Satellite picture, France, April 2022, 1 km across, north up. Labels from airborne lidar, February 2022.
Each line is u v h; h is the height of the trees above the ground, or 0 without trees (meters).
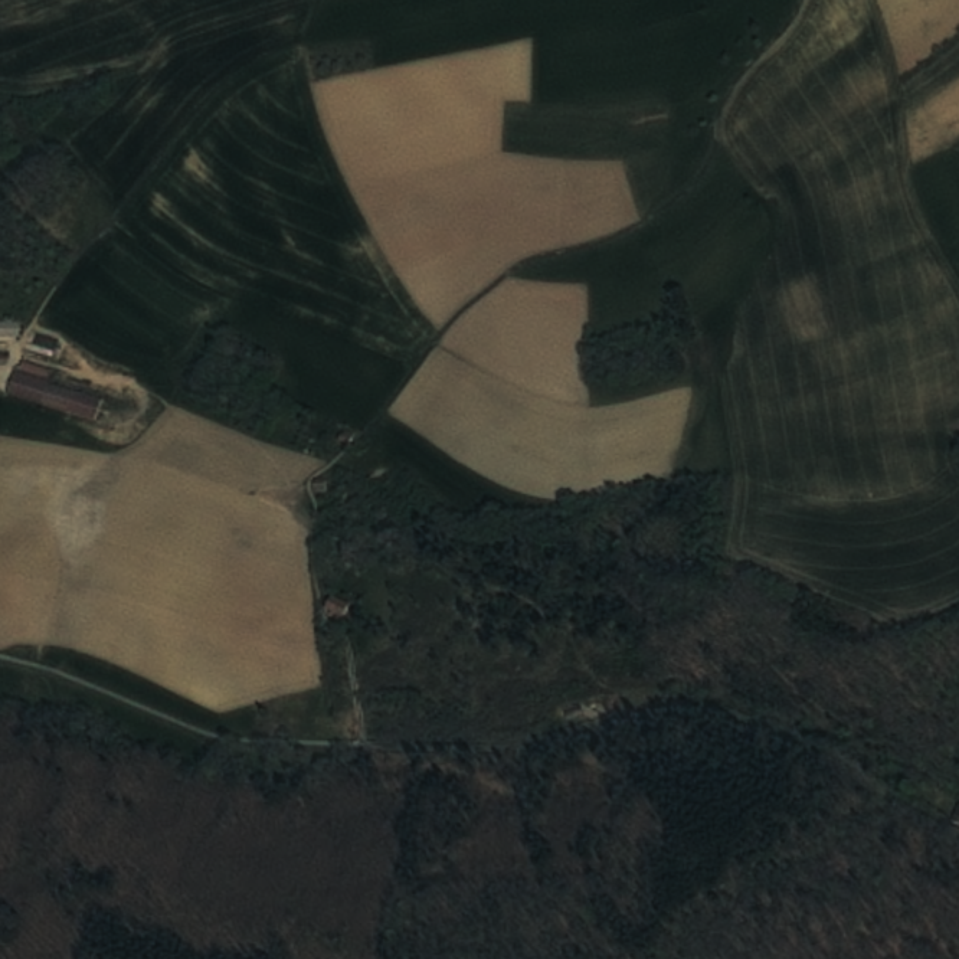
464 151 0
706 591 32
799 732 21
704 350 0
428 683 0
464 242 0
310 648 0
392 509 7
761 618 32
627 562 29
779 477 0
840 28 0
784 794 30
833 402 0
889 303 0
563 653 0
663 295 0
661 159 0
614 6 0
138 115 0
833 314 0
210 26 0
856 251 0
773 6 0
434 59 0
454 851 24
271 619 0
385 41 0
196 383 27
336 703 0
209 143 0
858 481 0
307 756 24
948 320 0
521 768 15
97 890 16
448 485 0
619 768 25
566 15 0
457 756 26
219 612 0
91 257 0
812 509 0
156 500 0
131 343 0
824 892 24
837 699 32
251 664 0
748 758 24
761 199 0
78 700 0
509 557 31
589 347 11
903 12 0
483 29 0
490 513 17
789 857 20
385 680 0
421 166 0
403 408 0
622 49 0
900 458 0
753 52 0
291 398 16
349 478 12
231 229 0
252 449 0
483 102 0
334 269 0
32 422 0
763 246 0
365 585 0
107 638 0
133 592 0
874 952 28
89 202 0
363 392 0
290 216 0
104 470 0
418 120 0
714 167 0
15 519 0
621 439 0
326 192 0
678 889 30
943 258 0
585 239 0
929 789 26
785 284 0
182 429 0
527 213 0
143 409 0
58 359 0
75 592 0
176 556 0
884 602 0
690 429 0
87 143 0
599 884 24
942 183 0
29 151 0
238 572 0
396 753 0
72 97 19
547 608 30
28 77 0
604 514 28
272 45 0
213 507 0
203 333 0
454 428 0
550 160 0
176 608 0
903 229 0
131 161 0
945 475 0
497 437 0
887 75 0
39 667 0
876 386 0
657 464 0
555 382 0
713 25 0
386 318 0
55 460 0
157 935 24
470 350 0
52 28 0
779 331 0
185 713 0
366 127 0
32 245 32
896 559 0
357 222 0
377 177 0
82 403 0
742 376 0
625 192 0
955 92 0
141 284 0
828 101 0
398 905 26
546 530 27
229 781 22
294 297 0
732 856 26
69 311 0
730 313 0
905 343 0
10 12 0
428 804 18
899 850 18
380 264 0
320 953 17
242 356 24
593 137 0
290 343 0
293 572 0
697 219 0
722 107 0
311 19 0
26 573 0
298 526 0
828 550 0
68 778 16
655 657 31
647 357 20
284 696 0
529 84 0
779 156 0
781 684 30
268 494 0
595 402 0
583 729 0
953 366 0
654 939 31
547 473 0
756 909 27
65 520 0
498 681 0
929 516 0
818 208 0
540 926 28
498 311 0
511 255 0
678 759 23
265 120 0
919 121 0
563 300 0
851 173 0
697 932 29
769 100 0
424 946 28
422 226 0
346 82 0
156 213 0
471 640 30
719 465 0
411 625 0
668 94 0
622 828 21
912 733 32
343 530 20
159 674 0
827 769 24
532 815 25
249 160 0
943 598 0
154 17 0
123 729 17
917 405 0
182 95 0
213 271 0
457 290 0
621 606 25
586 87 0
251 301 0
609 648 30
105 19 0
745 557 0
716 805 25
